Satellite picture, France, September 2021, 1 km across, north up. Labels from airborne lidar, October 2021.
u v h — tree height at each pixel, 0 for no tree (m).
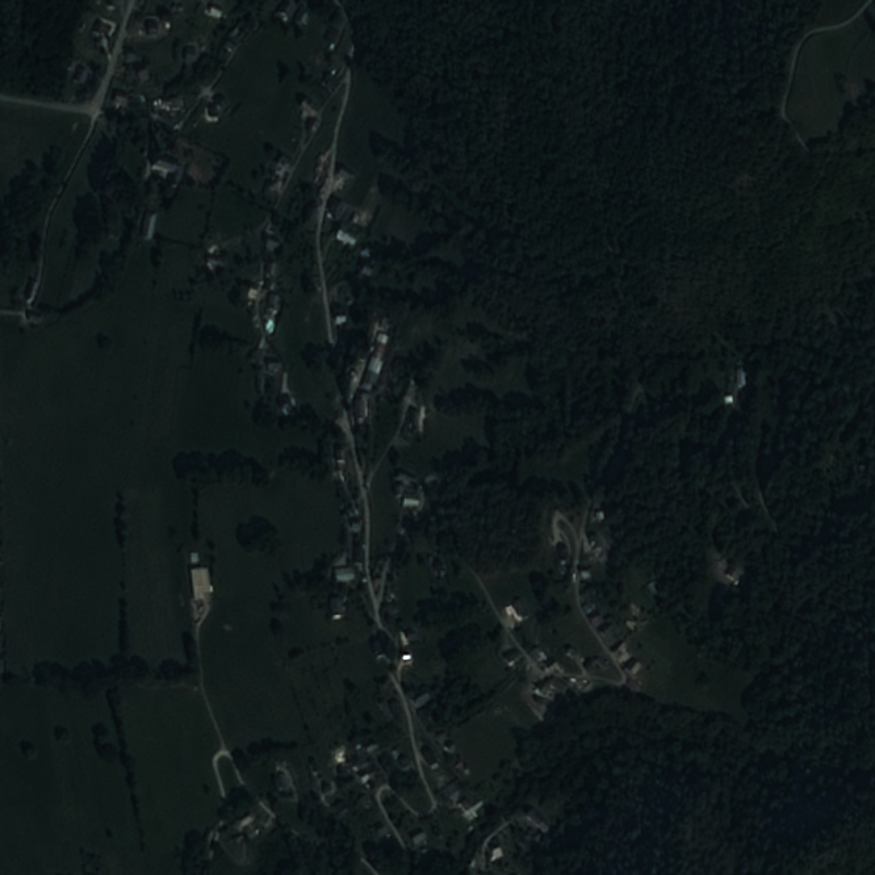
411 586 0
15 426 0
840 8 0
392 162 20
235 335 0
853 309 27
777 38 20
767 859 31
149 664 0
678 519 15
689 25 18
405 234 0
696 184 13
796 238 21
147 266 0
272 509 0
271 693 0
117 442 0
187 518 0
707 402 16
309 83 13
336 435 14
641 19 24
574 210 23
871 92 15
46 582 0
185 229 0
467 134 23
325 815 16
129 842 0
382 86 28
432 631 20
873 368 27
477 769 0
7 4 27
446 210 21
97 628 0
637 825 16
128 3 0
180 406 0
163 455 0
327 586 9
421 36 13
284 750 8
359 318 15
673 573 12
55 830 0
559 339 22
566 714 24
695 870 21
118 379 0
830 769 26
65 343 0
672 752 30
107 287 11
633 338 18
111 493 0
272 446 0
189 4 0
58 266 0
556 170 23
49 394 0
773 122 18
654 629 0
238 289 12
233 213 0
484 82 15
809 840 16
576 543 0
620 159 19
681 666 0
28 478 0
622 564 17
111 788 0
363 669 0
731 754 20
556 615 16
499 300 25
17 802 0
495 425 20
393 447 0
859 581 27
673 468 19
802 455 17
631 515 26
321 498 0
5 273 6
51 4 11
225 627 0
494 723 0
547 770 24
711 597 0
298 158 0
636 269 16
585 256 14
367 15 18
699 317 15
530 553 25
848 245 21
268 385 7
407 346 0
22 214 19
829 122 0
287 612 11
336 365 20
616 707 26
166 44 0
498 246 29
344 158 0
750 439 19
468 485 13
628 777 25
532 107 22
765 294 24
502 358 17
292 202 6
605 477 0
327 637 0
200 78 9
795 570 37
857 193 24
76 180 0
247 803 17
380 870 28
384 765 9
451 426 0
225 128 0
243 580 0
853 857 21
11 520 0
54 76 13
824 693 30
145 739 0
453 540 18
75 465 0
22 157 0
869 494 6
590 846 21
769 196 23
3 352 0
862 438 20
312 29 0
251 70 0
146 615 0
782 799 27
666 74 23
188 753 0
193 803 0
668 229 17
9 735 0
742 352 20
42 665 0
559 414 10
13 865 0
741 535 17
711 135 19
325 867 23
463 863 7
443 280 15
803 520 24
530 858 8
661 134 15
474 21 24
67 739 11
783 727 13
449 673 21
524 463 8
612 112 15
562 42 15
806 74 0
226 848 0
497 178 19
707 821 22
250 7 18
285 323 0
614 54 22
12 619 0
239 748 0
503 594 0
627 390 18
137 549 0
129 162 0
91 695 25
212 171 0
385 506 0
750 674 26
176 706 0
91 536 0
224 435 0
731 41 28
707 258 23
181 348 0
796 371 15
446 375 0
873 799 31
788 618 28
